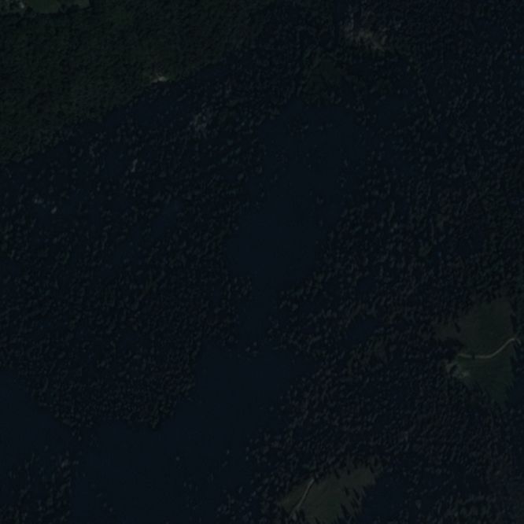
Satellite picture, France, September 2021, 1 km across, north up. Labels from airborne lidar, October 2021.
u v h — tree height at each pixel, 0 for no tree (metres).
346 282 33
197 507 18
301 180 23
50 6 0
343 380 21
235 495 30
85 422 27
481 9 24
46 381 16
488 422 13
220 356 21
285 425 10
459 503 9
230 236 9
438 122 9
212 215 31
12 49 22
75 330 11
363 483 0
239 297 20
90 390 23
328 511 0
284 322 25
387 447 15
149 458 14
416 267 35
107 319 25
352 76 11
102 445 26
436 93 28
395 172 20
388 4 27
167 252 24
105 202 7
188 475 20
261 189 24
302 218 17
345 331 10
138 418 27
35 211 14
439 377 7
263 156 27
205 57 19
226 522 22
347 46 11
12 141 14
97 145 30
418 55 24
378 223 31
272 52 25
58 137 18
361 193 20
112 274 20
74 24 23
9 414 23
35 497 17
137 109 18
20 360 20
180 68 22
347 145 25
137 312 11
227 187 22
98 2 22
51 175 27
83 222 25
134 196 15
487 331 0
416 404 25
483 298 10
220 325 21
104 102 17
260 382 15
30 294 22
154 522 21
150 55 25
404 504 29
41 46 25
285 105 14
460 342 0
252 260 17
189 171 27
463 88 30
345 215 27
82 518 23
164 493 15
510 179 22
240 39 23
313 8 20
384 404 29
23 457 36
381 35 22
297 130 18
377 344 18
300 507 0
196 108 22
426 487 21
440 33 31
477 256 25
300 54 26
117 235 13
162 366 26
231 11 22
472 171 18
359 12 22
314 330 20
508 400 0
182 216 22
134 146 10
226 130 28
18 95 27
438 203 31
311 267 27
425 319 22
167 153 20
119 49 27
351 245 20
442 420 22
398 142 30
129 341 19
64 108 23
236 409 16
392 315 17
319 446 22
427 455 27
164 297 22
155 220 8
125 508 21
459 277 24
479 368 0
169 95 17
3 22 19
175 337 21
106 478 17
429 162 13
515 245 14
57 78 30
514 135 9
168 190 18
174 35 22
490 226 12
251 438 27
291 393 18
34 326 24
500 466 7
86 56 24
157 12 9
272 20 21
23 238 11
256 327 24
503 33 36
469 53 31
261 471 11
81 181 11
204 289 15
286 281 19
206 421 24
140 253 23
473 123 18
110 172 14
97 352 22
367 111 8
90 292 14
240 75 26
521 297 14
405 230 24
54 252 17
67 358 20
